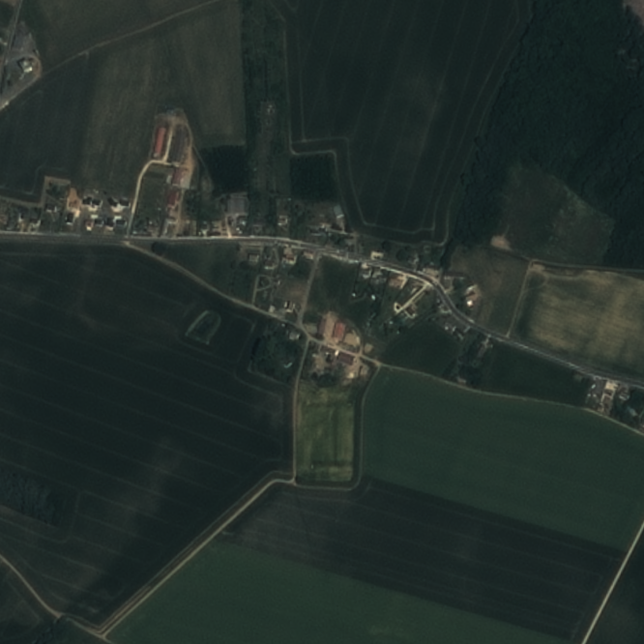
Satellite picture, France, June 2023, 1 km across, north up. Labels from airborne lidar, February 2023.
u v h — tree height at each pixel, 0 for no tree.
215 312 0
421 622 0
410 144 0
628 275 0
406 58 0
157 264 0
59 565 0
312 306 0
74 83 0
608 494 0
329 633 0
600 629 0
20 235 0
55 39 0
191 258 0
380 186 0
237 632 0
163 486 0
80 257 0
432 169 0
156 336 0
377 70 0
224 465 0
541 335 0
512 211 0
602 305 0
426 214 0
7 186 0
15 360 0
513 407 0
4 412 0
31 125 0
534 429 0
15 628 0
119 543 0
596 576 0
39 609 0
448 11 0
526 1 0
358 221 0
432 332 0
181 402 0
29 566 0
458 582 0
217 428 0
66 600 0
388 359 0
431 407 0
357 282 7
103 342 0
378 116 0
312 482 0
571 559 0
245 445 0
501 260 0
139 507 0
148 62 0
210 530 0
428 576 0
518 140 14
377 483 0
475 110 0
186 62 0
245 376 0
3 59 0
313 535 0
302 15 0
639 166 16
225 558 0
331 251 0
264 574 0
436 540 0
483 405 0
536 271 0
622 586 0
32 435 0
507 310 0
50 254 0
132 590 0
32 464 0
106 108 0
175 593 0
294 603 0
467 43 0
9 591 0
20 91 0
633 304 0
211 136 0
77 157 0
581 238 0
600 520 0
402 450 0
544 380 0
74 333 0
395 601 0
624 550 0
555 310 0
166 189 0
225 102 0
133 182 0
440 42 0
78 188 0
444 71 0
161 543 0
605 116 14
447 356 0
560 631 0
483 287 0
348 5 0
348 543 0
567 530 0
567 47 21
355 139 0
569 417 0
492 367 0
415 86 0
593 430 0
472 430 0
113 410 0
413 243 0
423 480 0
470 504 0
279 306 0
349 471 0
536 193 0
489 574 0
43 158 0
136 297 0
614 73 19
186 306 0
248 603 0
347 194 0
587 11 21
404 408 0
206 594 0
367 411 0
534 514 0
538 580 0
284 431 0
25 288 0
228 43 0
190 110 0
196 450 0
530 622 0
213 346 0
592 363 0
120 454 0
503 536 0
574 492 0
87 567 0
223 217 0
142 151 0
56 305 0
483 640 0
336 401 0
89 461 0
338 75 0
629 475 0
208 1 0
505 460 0
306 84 0
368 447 0
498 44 0
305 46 0
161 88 0
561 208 0
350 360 0
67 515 0
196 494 0
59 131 0
